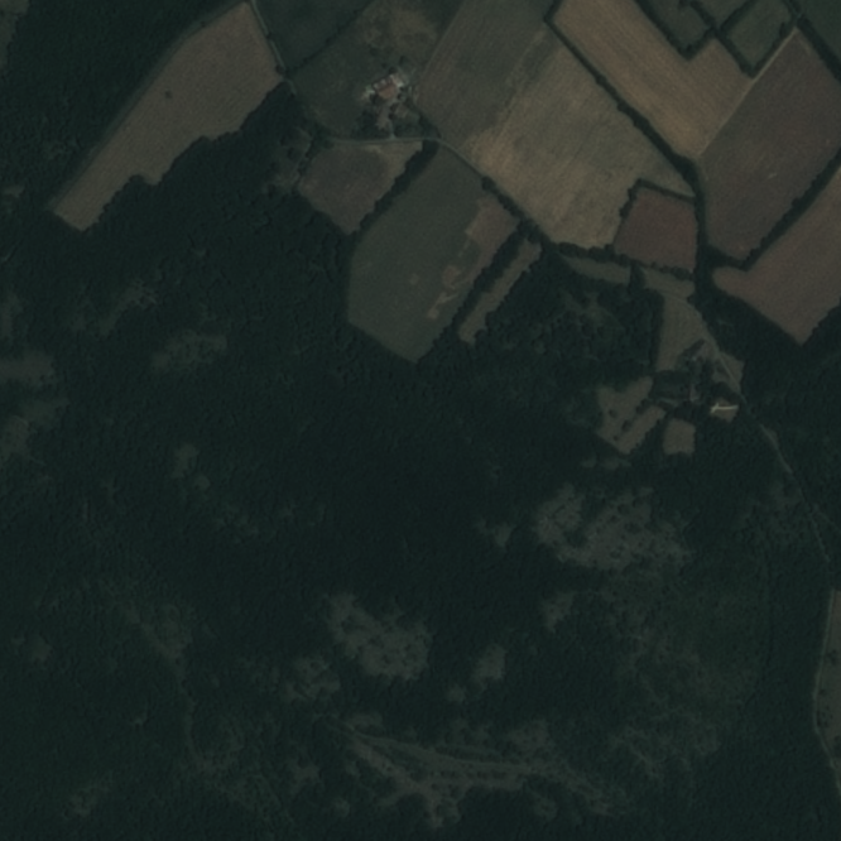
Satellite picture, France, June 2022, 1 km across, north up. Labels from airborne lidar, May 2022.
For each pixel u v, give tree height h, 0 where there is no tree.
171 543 11
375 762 0
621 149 0
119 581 9
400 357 10
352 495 12
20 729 11
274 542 8
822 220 0
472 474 12
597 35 0
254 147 16
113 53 9
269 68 0
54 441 10
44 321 10
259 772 6
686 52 6
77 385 11
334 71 0
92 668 11
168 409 12
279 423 14
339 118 0
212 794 10
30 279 10
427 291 0
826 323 13
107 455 11
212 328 9
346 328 10
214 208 16
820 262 0
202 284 15
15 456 7
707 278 17
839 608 0
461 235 0
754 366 9
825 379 12
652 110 0
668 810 10
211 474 9
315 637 8
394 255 0
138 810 9
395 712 9
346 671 8
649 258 0
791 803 14
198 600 10
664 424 8
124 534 11
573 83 0
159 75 0
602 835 15
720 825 11
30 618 11
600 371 8
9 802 10
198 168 17
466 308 11
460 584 15
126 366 13
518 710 8
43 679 10
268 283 14
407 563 11
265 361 11
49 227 15
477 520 9
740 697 8
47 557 12
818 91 0
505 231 0
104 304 10
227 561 12
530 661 8
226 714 6
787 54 0
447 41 0
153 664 7
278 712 6
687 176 8
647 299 11
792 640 12
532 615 11
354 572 13
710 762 11
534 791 7
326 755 8
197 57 0
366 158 0
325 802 10
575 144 0
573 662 10
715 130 0
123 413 10
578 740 7
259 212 17
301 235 14
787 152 0
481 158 0
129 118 0
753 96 0
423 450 9
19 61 9
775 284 0
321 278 13
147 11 13
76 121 12
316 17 0
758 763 11
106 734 9
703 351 0
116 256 13
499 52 0
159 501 14
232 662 9
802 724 9
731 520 11
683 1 10
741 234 0
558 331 11
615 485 10
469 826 12
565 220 0
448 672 8
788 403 9
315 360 11
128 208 15
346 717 7
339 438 14
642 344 12
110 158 0
